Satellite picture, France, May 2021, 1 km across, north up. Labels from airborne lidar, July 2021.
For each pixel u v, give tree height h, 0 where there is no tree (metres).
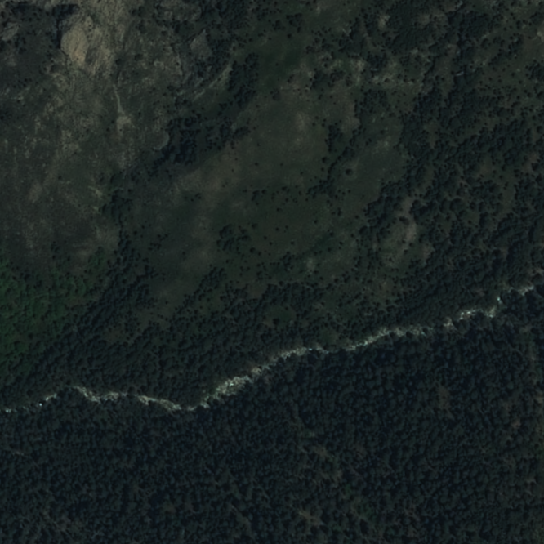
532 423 29
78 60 0
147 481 25
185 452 21
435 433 26
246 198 0
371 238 14
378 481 33
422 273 18
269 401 11
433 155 23
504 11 8
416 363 26
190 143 14
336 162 13
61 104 0
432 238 13
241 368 24
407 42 15
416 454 20
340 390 35
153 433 41
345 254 0
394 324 16
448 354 39
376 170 0
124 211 15
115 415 34
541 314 36
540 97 13
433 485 36
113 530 27
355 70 0
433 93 14
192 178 0
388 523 27
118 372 29
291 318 0
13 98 0
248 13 16
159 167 12
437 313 35
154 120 8
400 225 0
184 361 17
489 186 12
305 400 35
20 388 29
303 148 0
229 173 0
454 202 8
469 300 36
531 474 29
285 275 0
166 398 16
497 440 35
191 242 0
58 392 14
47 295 20
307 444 18
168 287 0
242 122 0
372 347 11
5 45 21
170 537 22
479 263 18
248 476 26
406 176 12
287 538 13
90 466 18
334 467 35
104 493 22
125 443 15
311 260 0
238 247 12
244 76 19
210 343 24
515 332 30
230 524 32
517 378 33
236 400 11
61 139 0
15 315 18
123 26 0
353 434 36
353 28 15
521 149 17
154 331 21
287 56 0
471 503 36
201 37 0
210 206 0
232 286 9
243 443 19
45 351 13
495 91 11
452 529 8
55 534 35
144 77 0
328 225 0
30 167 0
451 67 0
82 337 21
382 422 10
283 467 16
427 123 9
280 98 13
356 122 0
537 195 15
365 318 17
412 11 14
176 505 22
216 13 24
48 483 28
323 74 18
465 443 12
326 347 16
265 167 0
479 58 0
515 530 23
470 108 15
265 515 16
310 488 36
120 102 0
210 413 38
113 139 0
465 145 19
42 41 0
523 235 22
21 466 42
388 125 0
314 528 12
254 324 16
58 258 15
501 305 9
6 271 15
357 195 0
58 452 14
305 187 0
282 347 21
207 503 30
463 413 21
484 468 15
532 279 24
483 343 32
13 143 0
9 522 27
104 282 14
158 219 0
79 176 0
